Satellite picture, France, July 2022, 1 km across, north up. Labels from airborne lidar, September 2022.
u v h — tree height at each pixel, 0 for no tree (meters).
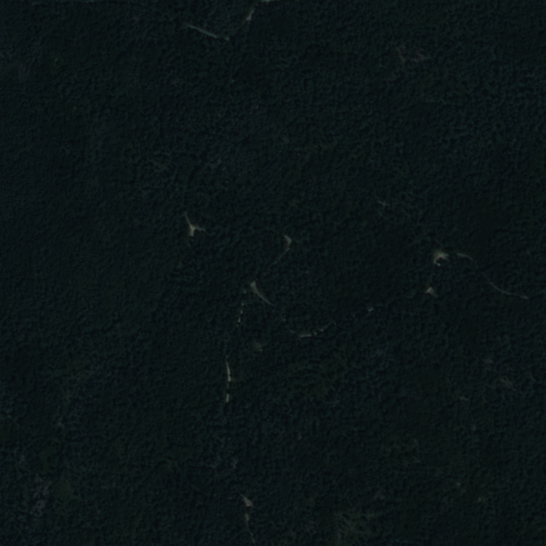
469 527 26
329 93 14
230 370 8
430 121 23
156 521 7
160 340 12
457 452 17
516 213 17
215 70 12
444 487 17
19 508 6
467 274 22
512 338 26
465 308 16
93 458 19
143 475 16
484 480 12
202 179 12
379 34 22
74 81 8
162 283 11
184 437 13
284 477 22
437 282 18
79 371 6
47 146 18
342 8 22
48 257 16
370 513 10
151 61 17
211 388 14
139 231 19
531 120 24
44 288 7
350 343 26
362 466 20
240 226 13
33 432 28
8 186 18
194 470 24
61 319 14
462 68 15
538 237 24
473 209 17
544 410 25
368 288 19
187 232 7
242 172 32
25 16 17
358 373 28
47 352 18
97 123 10
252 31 18
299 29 9
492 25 26
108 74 14
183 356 11
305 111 19
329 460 21
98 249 13
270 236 17
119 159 16
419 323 25
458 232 13
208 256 23
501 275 13
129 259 17
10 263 18
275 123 22
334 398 21
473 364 19
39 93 16
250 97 26
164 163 10
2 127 17
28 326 17
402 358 22
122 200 15
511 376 29
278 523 20
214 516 20
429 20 11
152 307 20
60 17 16
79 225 14
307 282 22
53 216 14
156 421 18
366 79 19
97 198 15
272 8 20
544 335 16
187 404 12
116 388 24
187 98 11
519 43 18
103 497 15
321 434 13
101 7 10
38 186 19
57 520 15
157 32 21
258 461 28
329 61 22
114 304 16
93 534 21
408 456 14
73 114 10
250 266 26
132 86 6
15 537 13
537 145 19
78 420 29
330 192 14
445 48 13
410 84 19
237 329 17
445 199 17
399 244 15
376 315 18
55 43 9
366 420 17
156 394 20
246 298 17
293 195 14
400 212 11
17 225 14
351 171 18
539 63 14
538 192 18
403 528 27
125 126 17
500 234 26
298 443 15
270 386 11
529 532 7
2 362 15
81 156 8
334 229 19
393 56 18
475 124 6
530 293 15
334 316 20
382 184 11
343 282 20
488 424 24
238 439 26
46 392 27
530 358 16
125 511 12
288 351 8
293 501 20
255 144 26
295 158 17
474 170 22
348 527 29
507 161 23
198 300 23
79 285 13
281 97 17
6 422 9
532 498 19
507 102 21
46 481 28
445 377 24
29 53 24
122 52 6
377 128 21
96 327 19
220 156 31
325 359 24
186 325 20
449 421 21
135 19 22
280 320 14
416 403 27
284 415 14
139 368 18
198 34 20
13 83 16
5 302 17
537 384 7
